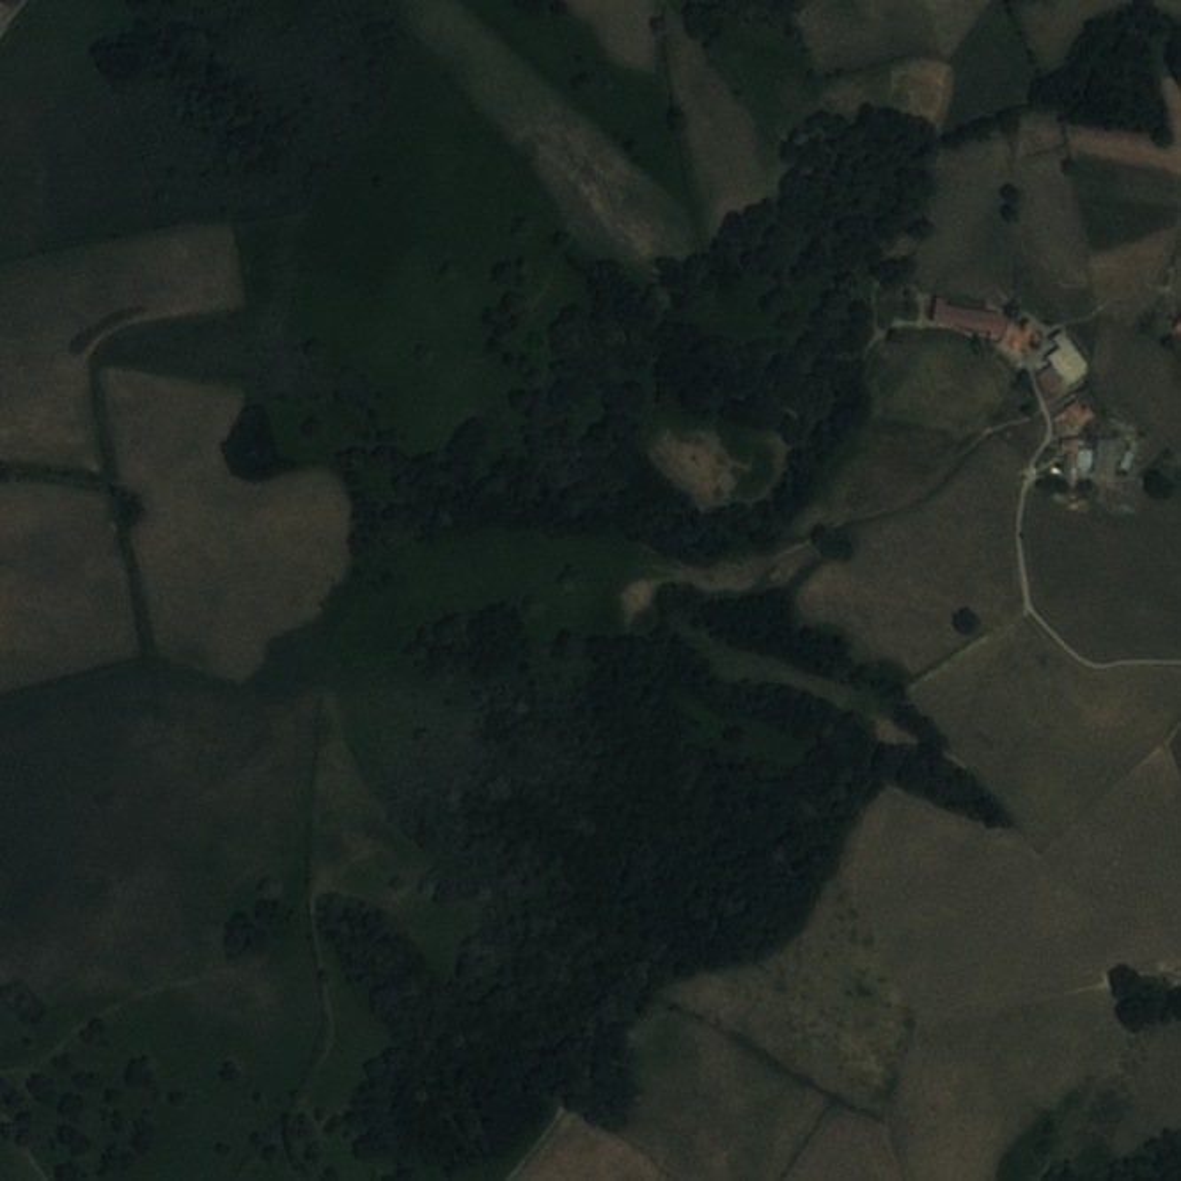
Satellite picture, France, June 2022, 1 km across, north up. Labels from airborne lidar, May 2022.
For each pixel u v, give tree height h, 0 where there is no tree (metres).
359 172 0
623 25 0
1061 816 0
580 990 23
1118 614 0
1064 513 0
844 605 0
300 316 0
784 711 19
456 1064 16
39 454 0
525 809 11
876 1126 0
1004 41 0
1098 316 0
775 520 25
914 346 0
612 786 11
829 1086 0
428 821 7
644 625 0
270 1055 0
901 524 0
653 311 24
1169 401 0
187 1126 0
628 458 26
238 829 0
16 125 0
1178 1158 10
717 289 12
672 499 22
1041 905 0
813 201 21
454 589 0
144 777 0
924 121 16
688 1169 0
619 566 0
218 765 0
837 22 0
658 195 0
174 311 0
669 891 29
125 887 0
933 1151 0
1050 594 0
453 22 0
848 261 17
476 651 18
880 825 0
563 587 9
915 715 11
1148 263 0
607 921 21
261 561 0
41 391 0
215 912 0
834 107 0
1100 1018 0
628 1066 10
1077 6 0
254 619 0
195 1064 0
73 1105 15
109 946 0
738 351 20
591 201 0
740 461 0
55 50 0
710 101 0
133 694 0
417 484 13
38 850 0
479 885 7
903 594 0
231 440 9
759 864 21
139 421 0
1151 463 0
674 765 20
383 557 0
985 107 0
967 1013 0
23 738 0
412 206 0
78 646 0
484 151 0
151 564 0
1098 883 0
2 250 0
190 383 0
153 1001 0
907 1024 0
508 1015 15
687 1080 0
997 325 0
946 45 0
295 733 0
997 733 0
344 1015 0
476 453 20
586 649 13
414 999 19
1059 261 0
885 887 0
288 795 0
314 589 0
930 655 0
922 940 0
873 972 0
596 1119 18
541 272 0
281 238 0
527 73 0
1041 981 0
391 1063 17
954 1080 0
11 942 0
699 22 16
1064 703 0
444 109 0
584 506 21
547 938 9
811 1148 0
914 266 9
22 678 0
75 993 0
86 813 0
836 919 0
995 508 0
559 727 8
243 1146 0
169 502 0
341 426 0
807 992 0
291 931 0
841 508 0
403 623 0
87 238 0
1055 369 0
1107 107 11
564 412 17
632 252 0
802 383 18
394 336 0
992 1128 0
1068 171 13
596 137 0
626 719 18
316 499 0
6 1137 11
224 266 0
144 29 7
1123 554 0
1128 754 0
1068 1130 0
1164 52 0
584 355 16
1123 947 0
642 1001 9
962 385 0
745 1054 0
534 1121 22
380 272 0
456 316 0
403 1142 18
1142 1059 0
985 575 0
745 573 0
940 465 0
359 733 0
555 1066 22
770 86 0
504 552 0
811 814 20
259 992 0
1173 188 0
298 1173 11
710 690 19
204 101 9
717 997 0
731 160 0
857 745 20
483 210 0
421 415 0
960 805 11
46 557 0
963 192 0
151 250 0
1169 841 0
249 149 13
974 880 0
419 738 10
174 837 0
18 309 0
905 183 21
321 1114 9
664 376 12
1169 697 0
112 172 0
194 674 0
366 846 0
